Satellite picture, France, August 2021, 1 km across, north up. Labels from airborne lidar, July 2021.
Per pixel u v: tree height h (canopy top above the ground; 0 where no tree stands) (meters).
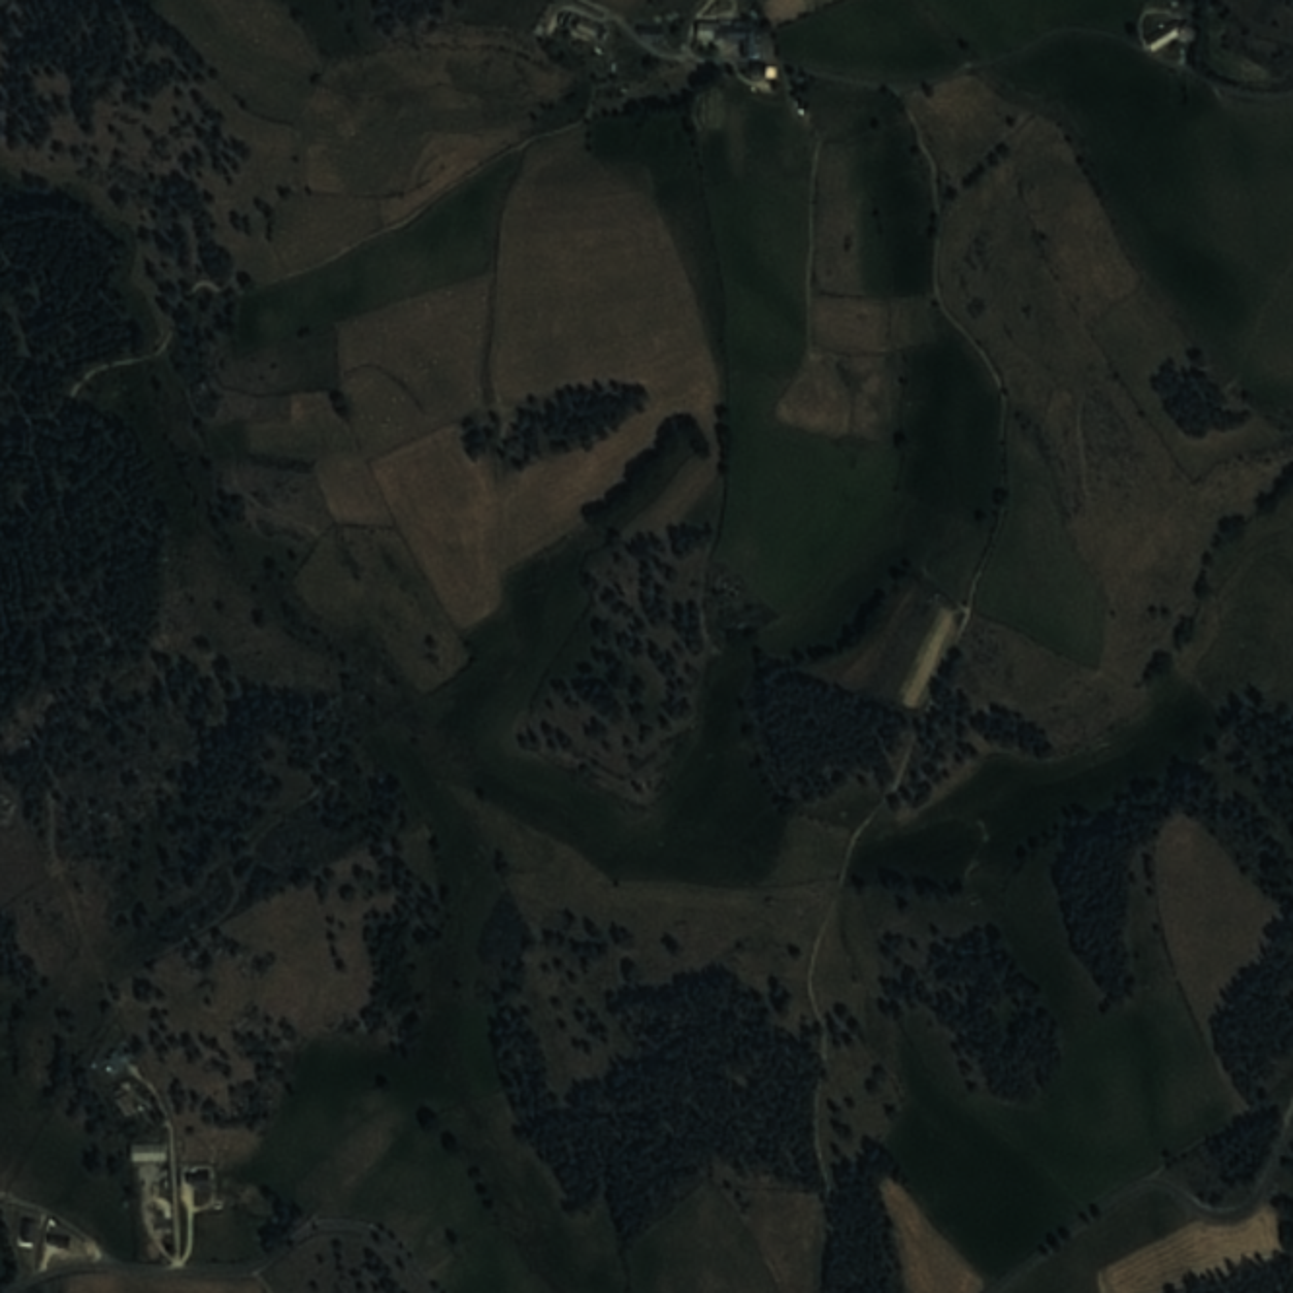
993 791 0
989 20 0
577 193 0
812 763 14
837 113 0
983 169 9
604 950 10
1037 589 0
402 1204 0
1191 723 0
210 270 17
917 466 0
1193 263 0
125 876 8
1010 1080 15
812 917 0
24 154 0
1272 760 13
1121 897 19
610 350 0
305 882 14
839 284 0
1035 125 0
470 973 0
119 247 24
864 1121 0
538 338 0
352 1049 0
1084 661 0
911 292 0
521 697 0
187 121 6
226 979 0
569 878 0
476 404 0
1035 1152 0
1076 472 0
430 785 0
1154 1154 0
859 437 0
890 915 0
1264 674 0
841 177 0
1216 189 0
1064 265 0
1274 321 0
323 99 0
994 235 0
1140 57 0
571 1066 0
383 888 8
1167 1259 0
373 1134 0
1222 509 0
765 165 0
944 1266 0
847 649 10
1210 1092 0
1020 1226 0
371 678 0
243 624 0
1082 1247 0
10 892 0
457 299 0
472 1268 0
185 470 9
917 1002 7
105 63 13
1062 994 0
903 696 0
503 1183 0
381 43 0
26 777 17
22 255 18
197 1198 0
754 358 0
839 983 0
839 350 0
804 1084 18
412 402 0
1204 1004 0
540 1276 0
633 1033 11
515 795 0
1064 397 0
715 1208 0
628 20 0
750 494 0
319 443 0
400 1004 10
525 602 0
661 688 0
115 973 0
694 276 0
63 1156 0
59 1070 13
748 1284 0
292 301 0
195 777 21
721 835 0
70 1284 0
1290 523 0
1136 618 0
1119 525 0
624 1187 21
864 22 0
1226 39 6
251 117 0
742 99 0
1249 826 16
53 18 16
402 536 0
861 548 0
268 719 15
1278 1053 15
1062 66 0
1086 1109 0
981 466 0
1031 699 0
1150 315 0
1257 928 0
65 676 8
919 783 8
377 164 0
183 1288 0
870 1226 21
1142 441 0
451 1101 0
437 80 0
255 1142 0
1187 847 0
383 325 0
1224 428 8
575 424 18
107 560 19
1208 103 0
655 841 0
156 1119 9
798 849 0
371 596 0
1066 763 0
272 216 12
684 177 0
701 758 0
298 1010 0
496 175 0
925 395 0
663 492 0
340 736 12
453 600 0
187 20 0
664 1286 0
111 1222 0
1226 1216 0
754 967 0
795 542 0
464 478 0
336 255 0
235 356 0
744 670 0
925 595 0
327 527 0
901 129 0
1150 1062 0
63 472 17
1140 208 0
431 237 0
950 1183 0
